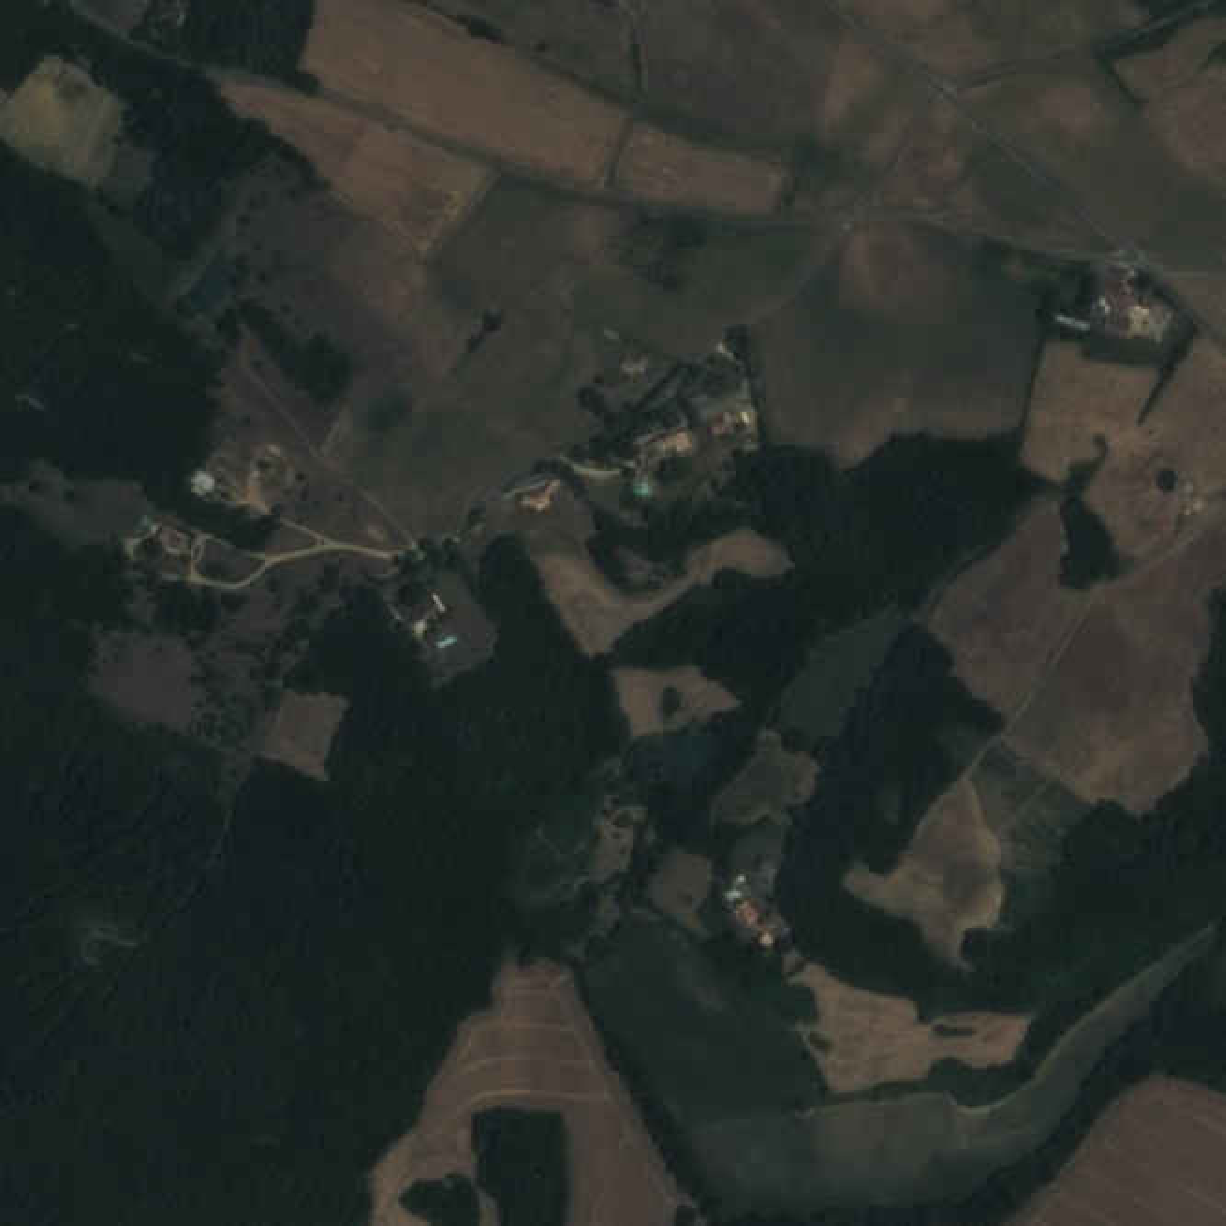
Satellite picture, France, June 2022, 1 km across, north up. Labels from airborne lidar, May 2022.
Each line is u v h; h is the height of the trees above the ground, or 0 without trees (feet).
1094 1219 0
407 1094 57
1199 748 0
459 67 0
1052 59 0
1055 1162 55
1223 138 0
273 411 0
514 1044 0
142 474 52
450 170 0
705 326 0
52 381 35
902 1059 0
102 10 0
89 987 21
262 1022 51
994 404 0
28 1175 39
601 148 0
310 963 45
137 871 36
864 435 0
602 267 0
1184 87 0
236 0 33
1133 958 36
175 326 47
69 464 58
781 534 59
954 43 0
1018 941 40
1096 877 70
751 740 37
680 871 0
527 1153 71
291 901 54
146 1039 49
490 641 0
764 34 0
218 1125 49
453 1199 33
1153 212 0
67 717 26
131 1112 51
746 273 0
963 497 68
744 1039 0
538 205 0
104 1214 53
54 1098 40
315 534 0
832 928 75
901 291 0
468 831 63
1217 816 45
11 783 67
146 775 52
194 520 35
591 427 0
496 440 0
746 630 78
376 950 52
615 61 0
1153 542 0
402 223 0
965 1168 0
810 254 0
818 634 50
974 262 0
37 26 57
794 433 0
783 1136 0
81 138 0
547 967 0
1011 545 0
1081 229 0
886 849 49
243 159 36
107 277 60
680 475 63
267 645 18
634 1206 0
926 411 0
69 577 40
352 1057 68
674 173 0
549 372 0
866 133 0
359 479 0
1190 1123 0
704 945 23
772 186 0
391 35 0
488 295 0
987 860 0
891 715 52
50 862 22
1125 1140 0
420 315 0
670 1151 45
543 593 61
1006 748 0
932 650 58
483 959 35
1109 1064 52
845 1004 0
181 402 52
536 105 0
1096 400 0
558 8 0
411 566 35
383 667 59
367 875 72
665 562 43
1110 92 0
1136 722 0
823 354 0
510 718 45
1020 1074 38
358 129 0
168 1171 54
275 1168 41
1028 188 0
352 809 57
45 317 52
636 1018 0
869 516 21
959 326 0
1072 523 47
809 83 0
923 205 0
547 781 59
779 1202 0
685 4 0
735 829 30
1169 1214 0
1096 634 0
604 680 62
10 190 50
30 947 46
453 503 0
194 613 27
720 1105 0
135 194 0
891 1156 0
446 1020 36
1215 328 0
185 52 29
